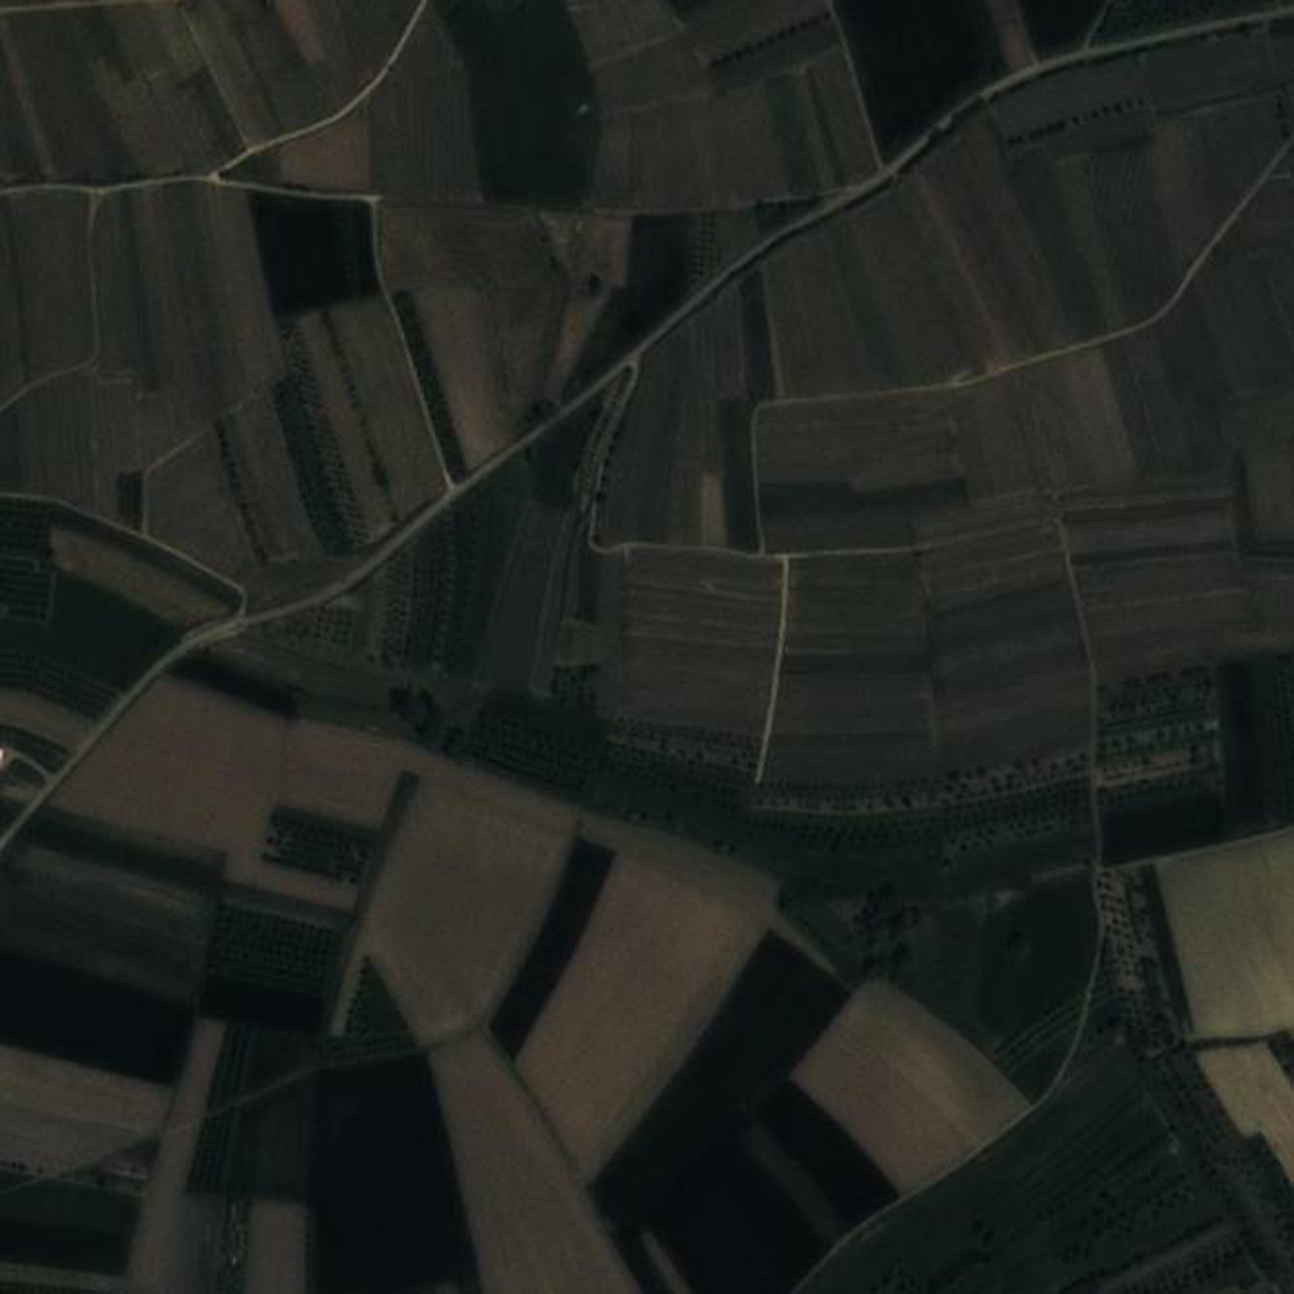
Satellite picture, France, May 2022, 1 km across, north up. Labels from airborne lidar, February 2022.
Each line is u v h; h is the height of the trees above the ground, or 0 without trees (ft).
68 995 0
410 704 75
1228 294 0
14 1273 0
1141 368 0
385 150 0
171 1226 0
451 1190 0
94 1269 0
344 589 0
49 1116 0
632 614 0
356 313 0
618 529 0
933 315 0
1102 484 0
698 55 0
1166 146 0
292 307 0
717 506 0
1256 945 0
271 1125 0
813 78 0
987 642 0
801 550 0
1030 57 0
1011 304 0
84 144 0
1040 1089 0
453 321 0
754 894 0
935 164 0
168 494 0
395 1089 0
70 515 0
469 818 0
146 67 0
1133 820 0
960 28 0
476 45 0
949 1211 0
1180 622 0
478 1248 0
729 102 0
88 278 0
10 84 0
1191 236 0
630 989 0
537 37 0
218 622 0
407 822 0
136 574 0
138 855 0
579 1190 0
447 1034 0
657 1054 0
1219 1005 0
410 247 0
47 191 0
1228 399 0
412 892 0
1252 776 0
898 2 0
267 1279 0
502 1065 0
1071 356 0
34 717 0
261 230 0
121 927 0
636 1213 0
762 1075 0
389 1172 0
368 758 0
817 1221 0
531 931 0
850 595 0
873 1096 0
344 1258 0
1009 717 0
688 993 0
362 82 0
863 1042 0
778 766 0
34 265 0
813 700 0
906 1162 0
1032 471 0
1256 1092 0
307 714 0
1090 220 0
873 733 0
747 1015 0
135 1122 0
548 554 0
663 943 0
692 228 0
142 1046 0
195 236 0
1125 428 0
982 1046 0
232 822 0
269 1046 0
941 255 0
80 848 0
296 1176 0
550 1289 0
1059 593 0
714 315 0
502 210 0
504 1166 0
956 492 0
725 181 0
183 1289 0
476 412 0
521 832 0
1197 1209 0
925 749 0
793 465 0
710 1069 0
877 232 0
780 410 0
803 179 0
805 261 0
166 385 0
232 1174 0
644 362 0
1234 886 0
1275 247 0
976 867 0
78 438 0
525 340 0
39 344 0
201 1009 0
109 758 0
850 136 0
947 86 0
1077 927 0
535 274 0
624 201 0
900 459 0
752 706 0
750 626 0
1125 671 0
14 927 0
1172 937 0
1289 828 0
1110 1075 0
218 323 0
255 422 0
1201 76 0
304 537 0
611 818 0
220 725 0
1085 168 0
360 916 0
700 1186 0
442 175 0
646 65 0
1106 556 0
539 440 0
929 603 0
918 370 0
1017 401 0
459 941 0
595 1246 0
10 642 0
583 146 0
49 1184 0
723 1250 0
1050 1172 0
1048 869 0
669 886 0
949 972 0
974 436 0
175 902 0
